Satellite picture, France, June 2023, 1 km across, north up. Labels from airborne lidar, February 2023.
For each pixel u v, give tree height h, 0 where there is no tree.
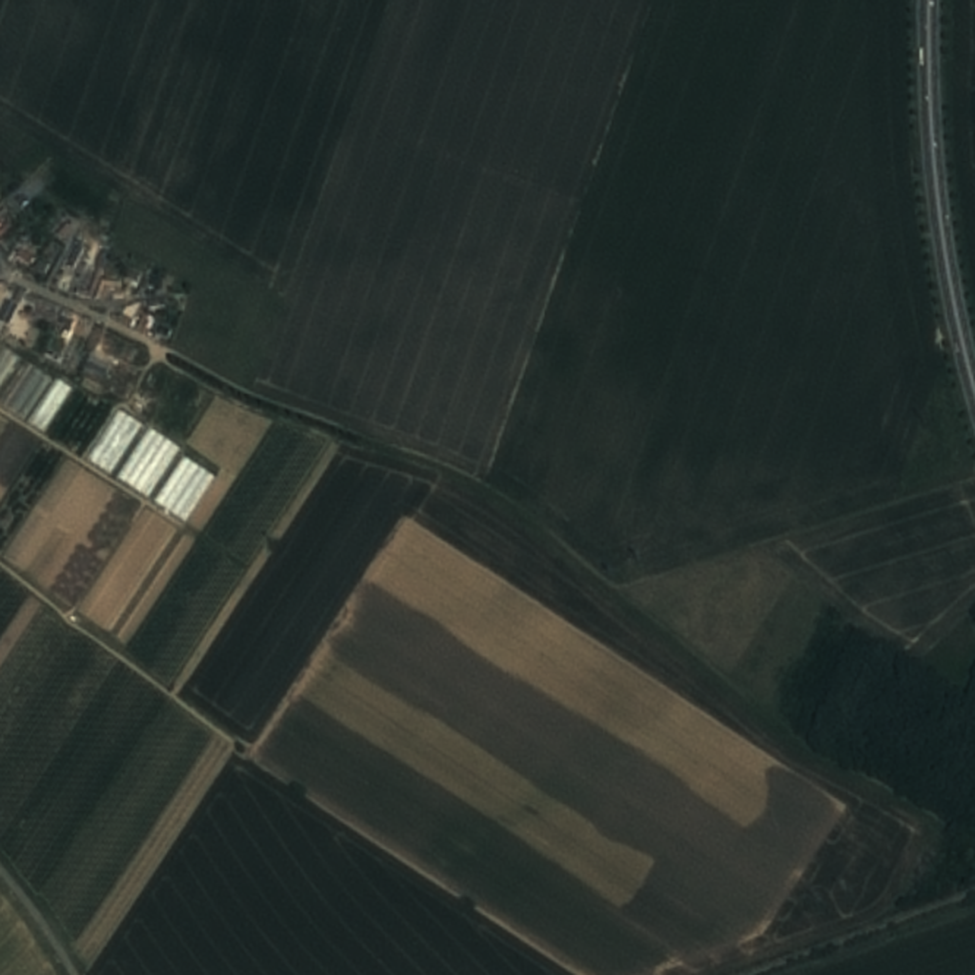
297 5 0
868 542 0
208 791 0
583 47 0
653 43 0
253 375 0
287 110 0
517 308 0
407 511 0
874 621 0
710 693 0
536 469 0
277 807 0
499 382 0
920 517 0
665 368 0
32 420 0
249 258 0
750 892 0
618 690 0
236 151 0
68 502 0
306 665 0
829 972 0
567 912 0
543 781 0
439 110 0
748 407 0
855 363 0
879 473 0
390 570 0
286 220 0
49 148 0
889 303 0
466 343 0
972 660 0
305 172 0
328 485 0
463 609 0
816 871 0
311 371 0
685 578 0
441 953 0
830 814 0
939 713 20
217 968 0
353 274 0
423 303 0
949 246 0
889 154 0
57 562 0
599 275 0
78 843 0
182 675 0
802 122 0
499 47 0
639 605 0
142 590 0
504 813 0
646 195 0
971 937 0
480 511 0
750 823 0
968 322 0
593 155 0
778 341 0
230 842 0
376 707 0
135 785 0
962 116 0
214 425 0
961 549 0
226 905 0
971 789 16
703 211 0
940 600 0
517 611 0
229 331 0
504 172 0
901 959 0
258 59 0
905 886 0
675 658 0
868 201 0
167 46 0
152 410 0
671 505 0
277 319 0
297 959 0
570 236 0
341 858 0
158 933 0
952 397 0
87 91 0
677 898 0
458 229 0
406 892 0
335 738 0
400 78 0
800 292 0
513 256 0
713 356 0
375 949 0
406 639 0
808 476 0
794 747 0
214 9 0
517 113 0
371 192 0
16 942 0
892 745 20
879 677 20
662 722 0
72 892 0
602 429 0
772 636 0
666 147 0
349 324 0
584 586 0
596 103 0
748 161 0
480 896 0
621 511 0
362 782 0
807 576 0
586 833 0
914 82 9
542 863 0
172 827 0
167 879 0
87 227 0
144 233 0
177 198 0
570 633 0
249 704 0
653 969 0
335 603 0
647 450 0
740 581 0
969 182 0
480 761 0
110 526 0
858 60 0
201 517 0
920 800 15
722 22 0
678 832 0
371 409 0
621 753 0
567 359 0
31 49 0
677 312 0
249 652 0
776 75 0
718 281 0
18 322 0
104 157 0
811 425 0
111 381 0
